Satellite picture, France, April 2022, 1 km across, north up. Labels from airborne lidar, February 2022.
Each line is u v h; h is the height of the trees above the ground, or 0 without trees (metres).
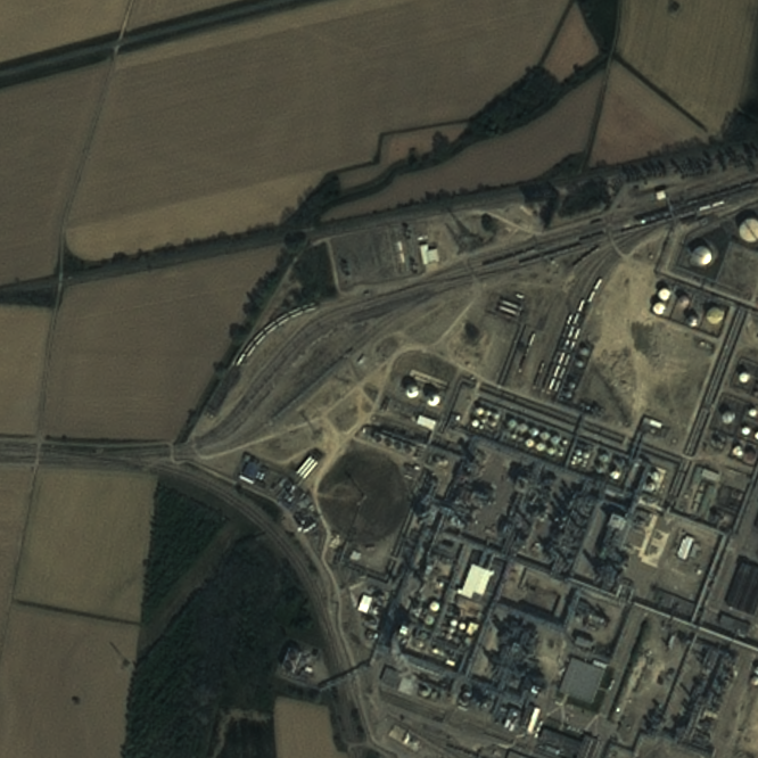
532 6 0
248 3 0
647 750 0
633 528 0
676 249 0
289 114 0
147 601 9
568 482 0
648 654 0
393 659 0
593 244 0
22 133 0
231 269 0
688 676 0
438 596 0
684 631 0
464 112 0
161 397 0
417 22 0
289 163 0
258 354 0
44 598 0
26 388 0
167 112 0
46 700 0
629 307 0
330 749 0
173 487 0
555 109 0
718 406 0
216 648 20
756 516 0
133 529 0
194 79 0
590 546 0
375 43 0
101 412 0
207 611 22
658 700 0
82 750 0
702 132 0
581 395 0
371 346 0
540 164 0
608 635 0
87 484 0
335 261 0
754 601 0
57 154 0
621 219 0
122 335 0
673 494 0
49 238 0
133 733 9
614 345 0
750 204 0
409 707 0
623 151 0
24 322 0
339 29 0
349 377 0
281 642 17
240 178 0
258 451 0
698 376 0
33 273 0
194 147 0
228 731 0
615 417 0
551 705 0
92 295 0
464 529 0
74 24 0
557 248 0
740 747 0
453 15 0
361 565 0
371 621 0
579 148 0
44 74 0
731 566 0
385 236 0
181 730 11
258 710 0
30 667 0
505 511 0
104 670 0
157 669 8
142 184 0
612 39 0
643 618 0
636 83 0
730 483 0
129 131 0
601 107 0
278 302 0
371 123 0
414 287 0
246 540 8
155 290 0
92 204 0
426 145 0
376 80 0
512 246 0
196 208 0
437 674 0
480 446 0
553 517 0
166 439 0
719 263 0
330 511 0
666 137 0
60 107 0
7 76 0
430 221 0
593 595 0
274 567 18
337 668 0
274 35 0
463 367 0
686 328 0
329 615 0
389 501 0
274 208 0
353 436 0
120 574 0
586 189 8
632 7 0
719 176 0
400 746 0
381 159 0
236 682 0
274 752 0
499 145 0
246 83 0
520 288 0
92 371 0
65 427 0
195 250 11
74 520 0
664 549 0
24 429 0
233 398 0
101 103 0
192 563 8
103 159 0
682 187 0
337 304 0
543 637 0
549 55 0
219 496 0
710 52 0
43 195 0
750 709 0
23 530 0
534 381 0
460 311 0
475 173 0
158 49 0
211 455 0
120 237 0
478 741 0
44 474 0
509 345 0
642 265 0
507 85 0
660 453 0
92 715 0
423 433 0
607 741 0
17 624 0
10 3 0
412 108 0
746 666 0
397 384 0
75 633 0
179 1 0
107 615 0
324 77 0
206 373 0
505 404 0
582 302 0
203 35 0
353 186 0
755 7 0
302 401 0
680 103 0
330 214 0
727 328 0
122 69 0
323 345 0
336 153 0
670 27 0
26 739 0
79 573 0
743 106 0
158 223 0
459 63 0
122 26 0
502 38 0
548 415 0
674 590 0
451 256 0
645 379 0
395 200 0
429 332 0
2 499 0
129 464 0
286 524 0
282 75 0
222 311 0
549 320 0
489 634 0
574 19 0
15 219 0
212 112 0
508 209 0
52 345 0
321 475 0
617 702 5
